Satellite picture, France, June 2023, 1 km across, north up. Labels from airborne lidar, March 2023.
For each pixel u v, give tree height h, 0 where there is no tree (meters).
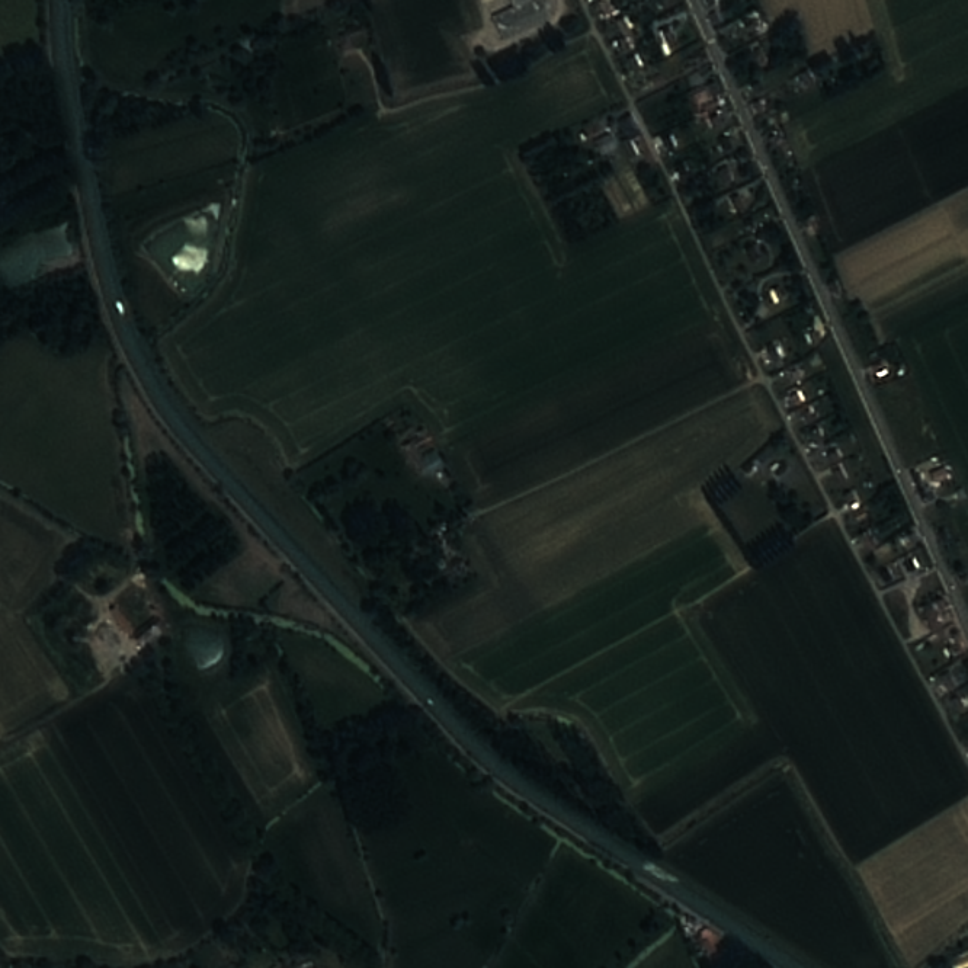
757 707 0
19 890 0
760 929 0
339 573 0
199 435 0
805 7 0
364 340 0
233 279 0
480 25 0
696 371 0
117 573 0
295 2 0
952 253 0
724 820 0
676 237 0
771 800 0
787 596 0
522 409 0
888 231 0
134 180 0
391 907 0
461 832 0
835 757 0
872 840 0
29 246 0
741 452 0
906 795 0
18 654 0
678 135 0
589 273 0
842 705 0
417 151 0
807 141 0
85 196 0
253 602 0
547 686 0
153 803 0
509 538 0
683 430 0
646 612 0
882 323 0
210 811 0
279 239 0
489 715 18
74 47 0
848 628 0
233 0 0
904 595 0
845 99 0
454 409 0
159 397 0
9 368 0
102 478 0
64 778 0
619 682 0
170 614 0
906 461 0
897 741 0
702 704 0
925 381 0
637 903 0
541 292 0
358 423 0
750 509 0
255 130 0
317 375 0
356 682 0
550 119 0
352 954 18
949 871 0
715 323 0
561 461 0
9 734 0
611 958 0
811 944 0
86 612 0
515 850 0
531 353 0
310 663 0
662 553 0
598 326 0
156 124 9
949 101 0
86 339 23
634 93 0
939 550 0
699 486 0
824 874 0
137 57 0
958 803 0
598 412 0
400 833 0
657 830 0
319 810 0
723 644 0
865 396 0
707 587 0
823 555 0
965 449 0
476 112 0
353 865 0
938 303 0
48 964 13
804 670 0
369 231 0
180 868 0
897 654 0
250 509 0
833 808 0
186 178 0
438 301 0
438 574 11
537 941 0
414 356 0
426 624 0
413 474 0
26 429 0
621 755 0
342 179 0
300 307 0
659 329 0
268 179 0
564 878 0
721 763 0
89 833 0
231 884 0
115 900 0
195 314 0
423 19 0
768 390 0
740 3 13
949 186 0
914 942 0
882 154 0
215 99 0
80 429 0
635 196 0
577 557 0
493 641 0
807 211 8
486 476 0
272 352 0
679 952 0
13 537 0
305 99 0
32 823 0
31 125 32
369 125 0
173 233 0
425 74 0
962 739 0
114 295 0
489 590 0
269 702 0
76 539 0
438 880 0
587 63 0
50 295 15
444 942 0
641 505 0
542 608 0
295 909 20
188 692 0
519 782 0
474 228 0
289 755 0
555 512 0
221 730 0
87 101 11
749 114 0
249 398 0
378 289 0
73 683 0
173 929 0
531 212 0
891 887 0
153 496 8
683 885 0
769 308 0
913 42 0
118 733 0
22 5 0
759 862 0
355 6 6
